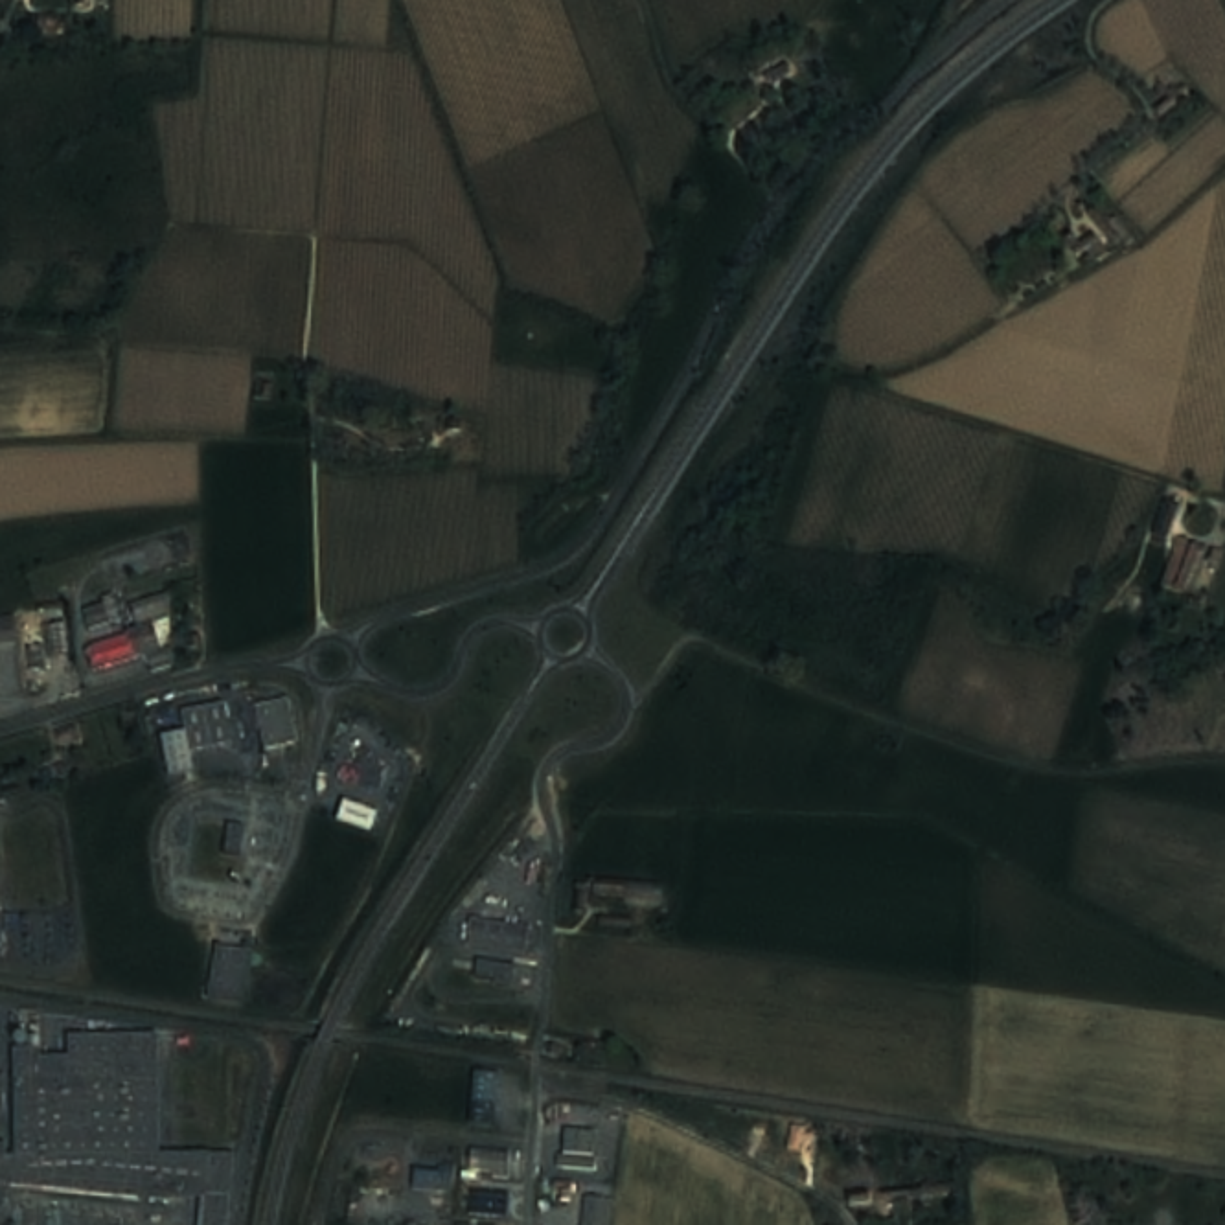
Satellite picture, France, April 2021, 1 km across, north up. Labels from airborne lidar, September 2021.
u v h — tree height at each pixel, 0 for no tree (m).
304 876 0
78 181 0
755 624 8
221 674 0
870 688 9
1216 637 8
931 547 0
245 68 0
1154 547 0
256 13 0
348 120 0
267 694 0
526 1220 0
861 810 0
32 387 0
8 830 0
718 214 0
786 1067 0
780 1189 0
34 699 0
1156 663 7
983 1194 0
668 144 0
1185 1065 0
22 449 0
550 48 0
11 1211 0
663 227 0
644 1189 0
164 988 0
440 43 0
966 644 0
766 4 0
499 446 0
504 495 0
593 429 9
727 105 14
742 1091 0
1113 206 0
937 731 0
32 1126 0
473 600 0
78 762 14
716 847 0
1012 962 0
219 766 0
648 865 0
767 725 0
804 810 0
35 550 0
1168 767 0
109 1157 0
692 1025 0
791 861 0
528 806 0
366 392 17
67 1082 0
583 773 0
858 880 0
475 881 0
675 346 0
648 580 0
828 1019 0
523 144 0
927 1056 0
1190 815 0
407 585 0
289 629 0
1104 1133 0
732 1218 0
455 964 0
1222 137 0
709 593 11
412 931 0
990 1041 0
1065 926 0
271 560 0
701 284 0
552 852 0
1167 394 0
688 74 10
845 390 0
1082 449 0
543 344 0
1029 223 9
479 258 0
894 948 0
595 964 0
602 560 0
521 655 0
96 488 0
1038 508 0
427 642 0
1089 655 0
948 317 0
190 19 0
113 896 0
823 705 0
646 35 0
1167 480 0
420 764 0
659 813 0
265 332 0
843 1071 0
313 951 0
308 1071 0
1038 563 0
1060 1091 0
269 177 0
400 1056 0
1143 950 0
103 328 14
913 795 0
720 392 0
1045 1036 0
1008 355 0
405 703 0
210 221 0
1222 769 0
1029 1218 0
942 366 0
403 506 0
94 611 0
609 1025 0
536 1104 0
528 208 0
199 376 0
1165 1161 0
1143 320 0
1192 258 0
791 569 10
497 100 0
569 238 0
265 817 0
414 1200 0
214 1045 0
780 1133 0
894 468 0
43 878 0
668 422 0
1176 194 0
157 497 0
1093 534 0
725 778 0
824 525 0
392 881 0
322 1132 0
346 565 0
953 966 0
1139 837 0
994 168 0
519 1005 0
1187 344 0
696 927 0
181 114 0
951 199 0
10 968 0
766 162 30
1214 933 0
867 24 0
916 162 0
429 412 16
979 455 0
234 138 0
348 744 0
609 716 0
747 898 0
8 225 0
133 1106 0
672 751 0
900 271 0
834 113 27
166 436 0
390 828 0
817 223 0
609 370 12
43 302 0
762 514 13
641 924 0
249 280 0
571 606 0
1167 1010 0
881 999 0
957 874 0
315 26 0
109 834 0
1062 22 0
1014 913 0
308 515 0
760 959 0
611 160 0
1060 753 0
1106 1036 0
